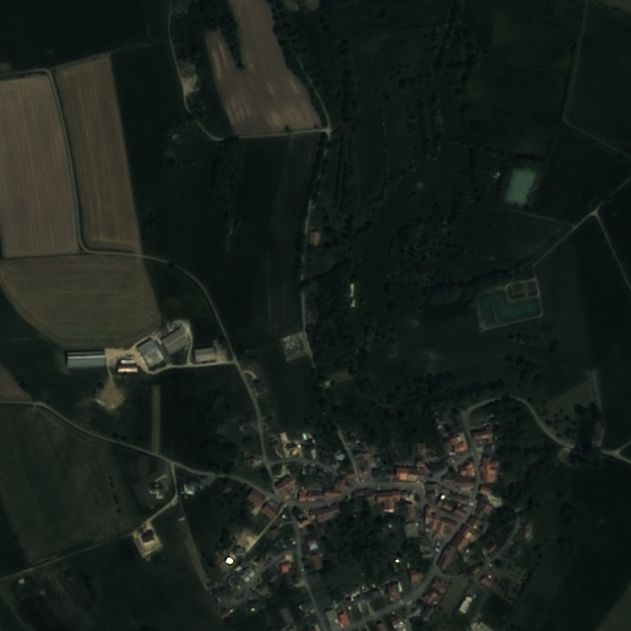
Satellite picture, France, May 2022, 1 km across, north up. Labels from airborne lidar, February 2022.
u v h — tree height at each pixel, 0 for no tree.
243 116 0
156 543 0
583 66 0
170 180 0
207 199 0
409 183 0
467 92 0
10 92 0
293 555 0
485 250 0
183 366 0
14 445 0
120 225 0
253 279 0
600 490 0
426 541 0
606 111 0
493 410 6
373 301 0
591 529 0
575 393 0
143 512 0
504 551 0
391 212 0
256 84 0
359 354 12
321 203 0
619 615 0
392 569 8
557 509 0
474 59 17
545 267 0
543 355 0
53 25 0
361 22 0
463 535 0
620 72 0
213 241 0
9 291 0
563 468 0
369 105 0
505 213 0
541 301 0
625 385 0
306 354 0
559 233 0
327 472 0
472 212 0
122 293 0
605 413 0
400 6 0
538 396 0
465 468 0
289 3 0
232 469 9
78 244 0
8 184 0
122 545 0
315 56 0
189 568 0
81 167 0
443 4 0
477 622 0
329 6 21
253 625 0
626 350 0
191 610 0
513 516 15
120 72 0
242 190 0
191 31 0
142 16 0
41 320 0
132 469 0
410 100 0
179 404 0
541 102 0
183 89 0
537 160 18
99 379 0
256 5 0
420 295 7
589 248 0
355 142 0
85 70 0
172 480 0
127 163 0
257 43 0
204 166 0
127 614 0
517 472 0
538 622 0
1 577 0
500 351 0
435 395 19
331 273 7
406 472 0
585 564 0
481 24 0
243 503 0
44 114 0
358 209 0
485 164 0
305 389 0
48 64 0
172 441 0
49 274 0
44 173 0
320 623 0
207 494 0
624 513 0
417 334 0
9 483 0
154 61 0
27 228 0
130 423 0
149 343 0
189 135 0
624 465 0
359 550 11
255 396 0
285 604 0
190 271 0
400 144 0
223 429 0
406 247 6
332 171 0
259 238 0
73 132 0
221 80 0
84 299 0
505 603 0
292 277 0
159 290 0
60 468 0
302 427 0
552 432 0
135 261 0
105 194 0
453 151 0
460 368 0
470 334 0
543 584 0
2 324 0
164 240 0
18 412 0
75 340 0
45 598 0
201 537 0
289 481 0
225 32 9
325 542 9
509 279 19
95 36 0
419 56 0
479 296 0
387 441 0
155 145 0
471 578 0
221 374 0
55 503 0
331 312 14
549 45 0
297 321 0
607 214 0
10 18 0
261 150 0
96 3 0
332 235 12
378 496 0
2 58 0
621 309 0
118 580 0
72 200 0
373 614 0
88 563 0
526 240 0
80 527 0
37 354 0
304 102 0
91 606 0
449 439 0
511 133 0
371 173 0
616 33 0
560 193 0
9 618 0
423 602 7
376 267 0
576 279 0
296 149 0
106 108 0
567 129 0
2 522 0
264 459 0
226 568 0
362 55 0
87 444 0
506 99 0
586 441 0
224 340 11
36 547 0
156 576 0
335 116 0
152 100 0
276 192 0
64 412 0
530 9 0
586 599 0
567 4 0
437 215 0
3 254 0
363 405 0
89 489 0
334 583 0
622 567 0
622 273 0
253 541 0
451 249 7
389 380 0
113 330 0
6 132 0
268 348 0
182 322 0
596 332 0
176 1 0
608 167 0
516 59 0
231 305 0
